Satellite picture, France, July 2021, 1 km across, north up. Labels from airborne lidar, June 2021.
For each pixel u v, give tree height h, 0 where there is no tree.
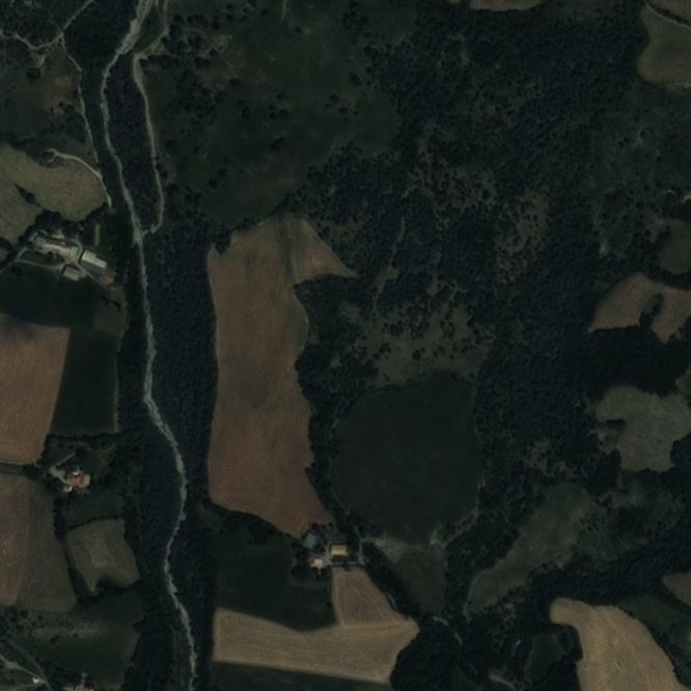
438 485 0
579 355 12
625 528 7
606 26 9
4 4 6
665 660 0
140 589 12
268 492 0
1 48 13
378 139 0
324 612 0
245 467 0
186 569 13
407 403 0
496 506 8
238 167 0
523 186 8
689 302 0
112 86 15
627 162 0
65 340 0
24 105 0
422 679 10
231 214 0
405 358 0
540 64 20
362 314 8
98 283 0
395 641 0
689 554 14
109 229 7
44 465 18
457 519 0
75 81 0
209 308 13
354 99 0
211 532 8
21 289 0
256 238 0
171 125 0
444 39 12
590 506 0
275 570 0
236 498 0
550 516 0
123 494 9
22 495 0
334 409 11
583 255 10
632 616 7
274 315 0
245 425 0
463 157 9
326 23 0
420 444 0
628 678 0
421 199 10
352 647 0
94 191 0
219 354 0
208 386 8
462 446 0
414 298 7
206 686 11
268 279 0
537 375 10
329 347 9
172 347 11
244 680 0
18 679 0
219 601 0
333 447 11
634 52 9
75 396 0
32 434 0
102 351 0
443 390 0
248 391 0
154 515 11
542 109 10
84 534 0
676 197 8
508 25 14
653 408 0
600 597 17
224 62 0
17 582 0
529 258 9
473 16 11
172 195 21
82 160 0
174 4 0
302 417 0
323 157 0
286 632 0
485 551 7
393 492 0
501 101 9
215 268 0
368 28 15
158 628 13
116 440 12
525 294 8
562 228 7
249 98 0
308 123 0
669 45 0
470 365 0
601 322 0
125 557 0
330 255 0
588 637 0
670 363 13
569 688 6
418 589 0
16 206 0
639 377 16
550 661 0
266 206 0
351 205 10
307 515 0
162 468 12
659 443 0
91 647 0
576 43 21
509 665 6
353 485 0
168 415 12
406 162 8
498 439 6
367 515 0
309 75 0
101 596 8
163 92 0
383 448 0
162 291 9
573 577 8
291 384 0
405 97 13
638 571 13
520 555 0
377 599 0
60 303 0
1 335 0
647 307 0
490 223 8
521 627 10
